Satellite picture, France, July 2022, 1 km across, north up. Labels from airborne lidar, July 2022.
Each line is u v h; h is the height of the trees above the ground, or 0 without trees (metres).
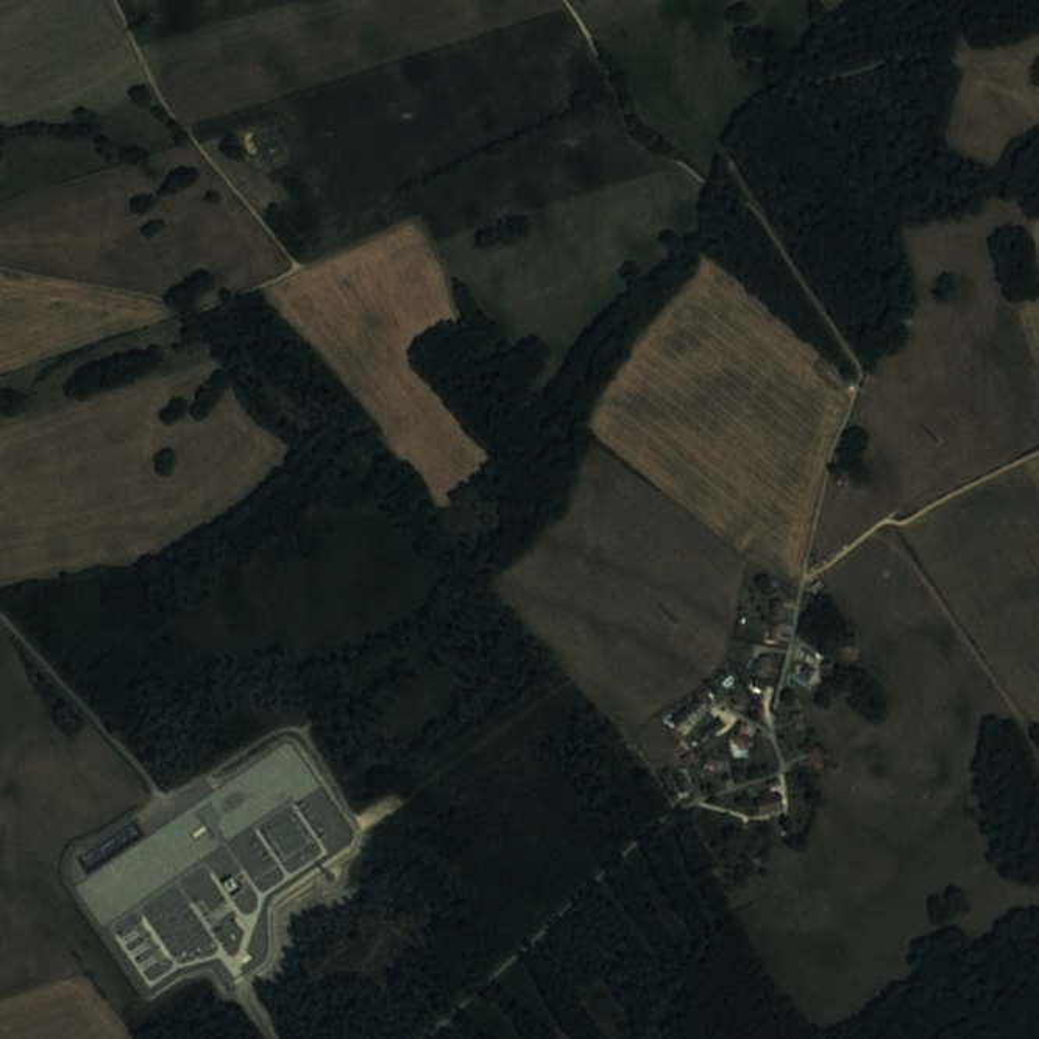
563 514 11
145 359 20
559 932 21
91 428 0
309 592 0
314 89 0
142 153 13
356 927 17
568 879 6
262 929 0
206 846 0
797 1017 15
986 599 0
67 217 0
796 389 0
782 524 0
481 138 0
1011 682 0
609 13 0
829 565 0
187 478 0
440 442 0
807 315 16
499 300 0
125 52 0
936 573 0
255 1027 17
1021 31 18
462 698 17
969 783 0
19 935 0
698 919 22
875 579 0
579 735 19
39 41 0
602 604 0
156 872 0
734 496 0
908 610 0
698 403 0
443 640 25
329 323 0
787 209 19
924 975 18
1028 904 0
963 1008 24
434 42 0
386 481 18
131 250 0
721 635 0
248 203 0
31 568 0
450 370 11
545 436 8
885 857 0
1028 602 0
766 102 14
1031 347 0
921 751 0
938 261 0
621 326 15
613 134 0
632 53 0
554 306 0
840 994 0
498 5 0
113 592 10
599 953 23
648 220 0
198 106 0
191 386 0
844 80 9
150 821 0
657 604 0
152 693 7
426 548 22
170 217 0
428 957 26
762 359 0
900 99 16
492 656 17
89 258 0
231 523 17
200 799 0
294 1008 32
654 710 0
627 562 0
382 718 20
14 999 0
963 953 23
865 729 0
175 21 0
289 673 12
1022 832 19
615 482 0
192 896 0
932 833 0
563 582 0
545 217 0
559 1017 21
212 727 14
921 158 10
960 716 0
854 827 0
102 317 0
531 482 15
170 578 16
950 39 16
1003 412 0
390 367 0
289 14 0
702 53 0
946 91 15
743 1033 20
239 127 0
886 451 0
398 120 0
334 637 0
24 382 0
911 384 0
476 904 9
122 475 0
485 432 24
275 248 0
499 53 0
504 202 0
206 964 0
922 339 0
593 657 0
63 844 0
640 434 0
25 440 0
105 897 0
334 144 0
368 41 0
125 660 7
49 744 0
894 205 14
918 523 0
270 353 12
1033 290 20
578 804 8
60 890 0
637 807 13
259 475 0
